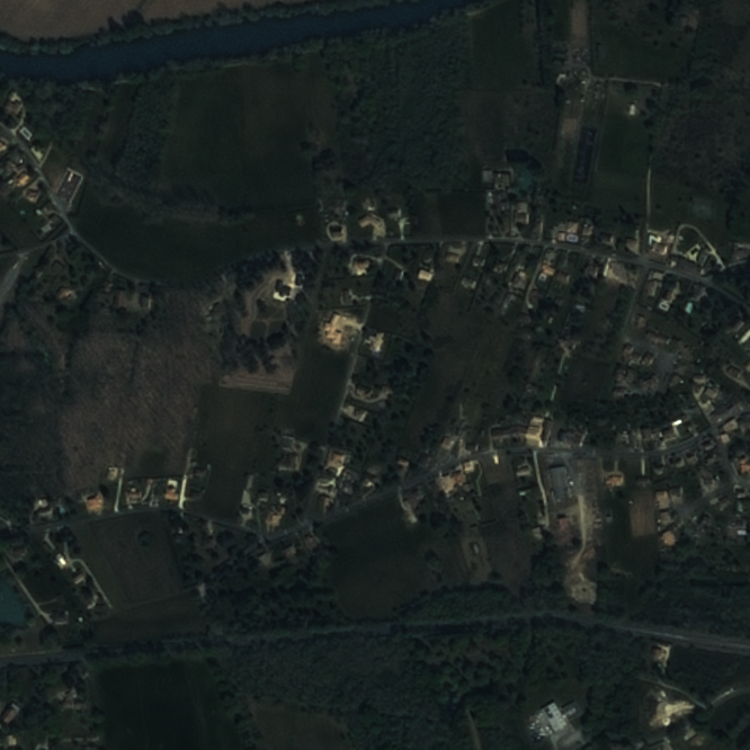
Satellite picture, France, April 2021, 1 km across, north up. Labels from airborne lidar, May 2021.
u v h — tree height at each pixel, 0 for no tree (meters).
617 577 5
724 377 0
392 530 0
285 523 0
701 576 18
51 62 0
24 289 17
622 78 0
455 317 0
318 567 16
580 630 17
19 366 19
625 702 8
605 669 23
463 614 15
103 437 17
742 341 0
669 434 0
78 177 0
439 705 15
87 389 20
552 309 16
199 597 12
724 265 6
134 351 19
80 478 18
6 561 14
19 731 18
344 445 5
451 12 8
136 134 13
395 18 0
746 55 0
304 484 12
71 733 0
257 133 0
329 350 0
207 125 0
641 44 0
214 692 0
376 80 12
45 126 25
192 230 0
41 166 0
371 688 9
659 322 0
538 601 16
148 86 12
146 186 21
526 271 7
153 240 0
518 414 8
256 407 0
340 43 18
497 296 9
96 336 18
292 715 0
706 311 12
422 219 0
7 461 8
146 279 0
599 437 7
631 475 0
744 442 7
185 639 10
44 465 8
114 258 0
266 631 7
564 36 0
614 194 0
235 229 0
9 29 0
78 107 17
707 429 0
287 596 25
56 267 0
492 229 8
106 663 16
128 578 0
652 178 0
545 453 0
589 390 0
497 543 0
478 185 0
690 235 0
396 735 16
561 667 18
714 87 18
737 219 19
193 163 0
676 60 0
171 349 15
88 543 0
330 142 0
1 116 11
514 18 0
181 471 12
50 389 20
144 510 0
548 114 0
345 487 0
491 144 0
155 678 0
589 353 10
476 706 17
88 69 0
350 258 14
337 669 18
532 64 0
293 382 0
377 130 9
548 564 20
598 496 0
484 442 0
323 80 0
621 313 11
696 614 14
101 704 0
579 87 0
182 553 0
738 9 0
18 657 0
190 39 0
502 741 7
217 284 13
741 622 16
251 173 0
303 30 0
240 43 0
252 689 12
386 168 11
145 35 15
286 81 0
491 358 0
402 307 8
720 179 6
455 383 0
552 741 0
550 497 0
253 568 16
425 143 11
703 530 10
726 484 0
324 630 20
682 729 13
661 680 13
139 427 21
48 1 0
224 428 0
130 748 0
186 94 0
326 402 0
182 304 20
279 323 0
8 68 0
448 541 13
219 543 8
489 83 0
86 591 11
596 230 6
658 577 11
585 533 0
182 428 20
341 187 11
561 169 0
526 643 21
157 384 18
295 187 0
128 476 14
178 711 0
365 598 0
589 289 15
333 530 0
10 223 0
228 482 0
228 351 17
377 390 7
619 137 0
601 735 12
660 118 18
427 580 0
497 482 0
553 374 7
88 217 0
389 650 18
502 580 8
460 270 7
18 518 12
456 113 10
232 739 0
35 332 15
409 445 0
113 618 0
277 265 16
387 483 17
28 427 9
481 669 11
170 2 0
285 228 0
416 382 14
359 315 0
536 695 0
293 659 17
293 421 0
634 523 0
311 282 19
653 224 0
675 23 19
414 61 11
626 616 17
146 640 0
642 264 0
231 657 14
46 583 0
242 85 0
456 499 10
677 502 0
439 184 9
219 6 0
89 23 0
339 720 10
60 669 13
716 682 6
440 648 15
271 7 6
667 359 0
